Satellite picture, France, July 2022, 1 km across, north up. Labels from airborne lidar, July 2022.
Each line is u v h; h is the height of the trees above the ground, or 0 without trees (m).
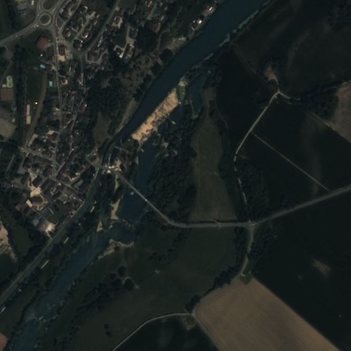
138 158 0
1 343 0
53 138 0
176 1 7
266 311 0
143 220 15
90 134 10
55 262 0
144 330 0
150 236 0
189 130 15
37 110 0
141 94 23
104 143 7
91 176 11
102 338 0
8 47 0
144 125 0
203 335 0
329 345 0
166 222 0
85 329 0
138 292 0
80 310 10
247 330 0
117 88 13
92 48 0
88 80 5
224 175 8
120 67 8
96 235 0
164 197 14
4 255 0
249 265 0
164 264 0
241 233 19
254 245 11
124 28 14
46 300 0
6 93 0
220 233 0
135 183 0
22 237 0
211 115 15
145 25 8
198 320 0
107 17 10
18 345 0
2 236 0
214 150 0
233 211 0
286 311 0
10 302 16
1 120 0
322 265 0
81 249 0
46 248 0
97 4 0
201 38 0
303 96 15
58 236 0
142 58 0
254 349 0
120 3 0
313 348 0
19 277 0
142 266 0
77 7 0
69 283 0
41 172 0
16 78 0
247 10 0
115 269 0
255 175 16
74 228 17
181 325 0
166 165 13
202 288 0
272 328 0
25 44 0
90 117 11
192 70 10
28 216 6
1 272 0
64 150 6
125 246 0
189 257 0
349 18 10
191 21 11
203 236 0
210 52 0
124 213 0
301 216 0
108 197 12
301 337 0
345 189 0
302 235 0
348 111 0
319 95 30
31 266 0
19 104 14
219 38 0
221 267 0
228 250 0
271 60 11
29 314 0
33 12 0
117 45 0
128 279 0
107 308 0
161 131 0
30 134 0
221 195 0
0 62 10
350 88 0
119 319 0
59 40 0
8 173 5
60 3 0
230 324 0
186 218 12
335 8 20
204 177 0
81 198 7
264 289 0
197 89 0
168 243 0
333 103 25
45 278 0
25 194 0
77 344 0
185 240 11
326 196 0
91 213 15
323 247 0
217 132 0
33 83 0
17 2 0
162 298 0
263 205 14
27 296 0
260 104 13
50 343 0
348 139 0
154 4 0
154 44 12
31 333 0
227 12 0
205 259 0
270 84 10
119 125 11
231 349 0
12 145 20
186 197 11
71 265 0
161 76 0
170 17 9
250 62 11
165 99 0
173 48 0
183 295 0
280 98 17
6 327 0
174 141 16
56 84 0
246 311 0
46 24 0
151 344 0
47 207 0
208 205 0
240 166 13
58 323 0
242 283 0
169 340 0
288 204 18
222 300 0
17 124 0
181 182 11
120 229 0
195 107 0
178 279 0
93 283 0
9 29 0
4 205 13
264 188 17
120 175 0
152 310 0
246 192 15
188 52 0
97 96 14
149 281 0
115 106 7
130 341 0
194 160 0
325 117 21
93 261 0
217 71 17
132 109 0
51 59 0
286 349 0
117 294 0
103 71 13
